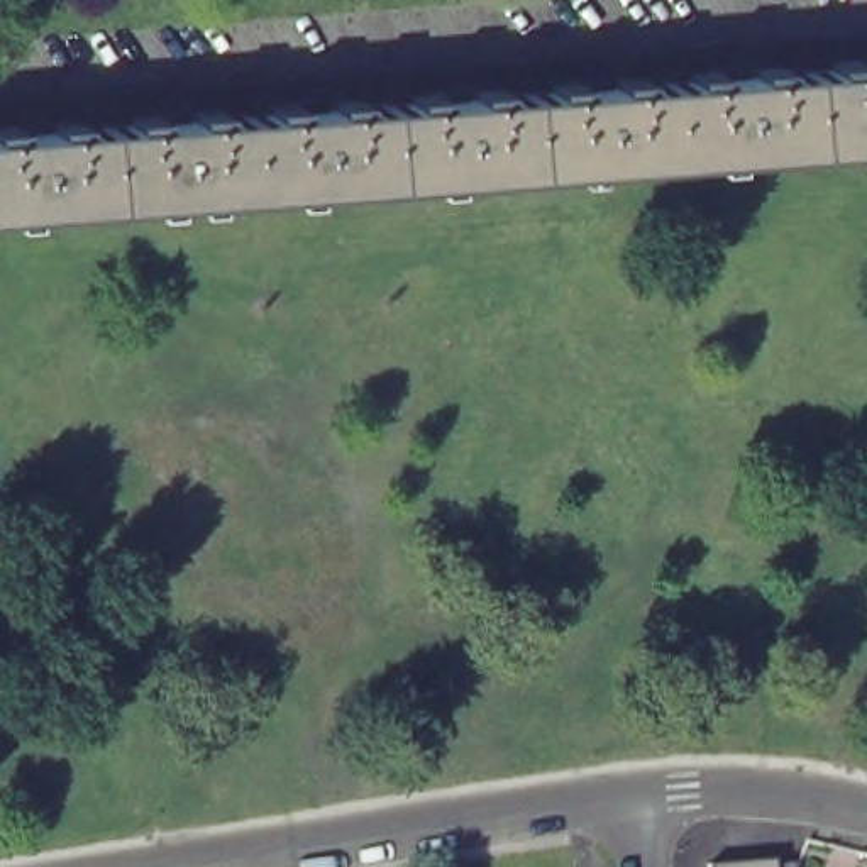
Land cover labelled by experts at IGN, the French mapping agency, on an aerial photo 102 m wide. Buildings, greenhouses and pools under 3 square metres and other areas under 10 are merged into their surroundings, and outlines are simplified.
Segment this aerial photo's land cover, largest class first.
<instances>
[{"label":"herbaceous vegetation","instance_id":"1","mask_svg":"<svg viewBox=\"0 0 867 867\"><path fill-rule=\"evenodd\" d=\"M193 0H58L47 17L54 20L61 37H108L119 30L139 34L183 27V10ZM220 14L227 27L291 17H386L417 14V0H217ZM647 200L674 224L701 220L725 240H732V247L725 251L721 274L708 295L694 301H671L667 295L640 298L627 284L620 271V251ZM322 213L244 210V217L230 220H112L61 224L58 230H47L41 224L0 230V505L17 508L44 501L47 508H58L71 518L75 542L64 559V616L68 627H75L85 640L105 650L108 691L122 704L119 735L112 742L71 745L61 759L30 755L0 725V792L10 782H17L30 796L41 820L54 830L58 847L146 833L169 830L312 809L325 803L369 799L389 792L383 782L352 779L342 772V755L332 735L339 698L356 681L369 677H376L383 688L393 677L406 691H420L440 715L457 718V738L447 742L440 779L434 786L596 765L613 759L715 752L806 755L860 769L840 742V721L853 708L857 688H867V538L847 535L840 532V525L826 522L820 535H803L799 542H752L728 518V501L738 484L735 457L748 447L752 434L759 440L796 450L789 471H796L799 464H823L830 454L843 447L867 444V169L864 163L792 166L755 173V179L748 183H732L725 176L589 179L569 186L488 190L484 196L467 203L430 196H420V203H413L410 196H396L342 207L322 203ZM135 237L149 240L159 254H186L193 291L183 318H176L173 329H166L159 342L146 349L142 359H119L105 352V342L95 339L88 318H81L78 312L88 298V288H102V281L108 278L98 271V261L129 251ZM725 345L735 352V389L721 396H704L691 386L688 366H694L704 349ZM359 383L369 389L373 410L393 413V423L373 427V434L379 437V450L345 461L335 450L325 427L335 420V413L359 410L352 400ZM417 434H423L430 444H440V467L430 478L423 467H413L406 461L410 440ZM417 518H427V532L440 542H467V562L484 572L491 589L528 586L535 596H542L545 589H589L583 616L566 630H555L562 637V647L549 667L528 677H494L474 671L464 637L450 627L444 613L430 610L427 596L420 593V583L410 576V566L403 559V542ZM119 552L156 555L163 576H169L173 616L156 620V627L146 637H139L135 647L112 637L91 616V579L98 566H105ZM667 566L674 572H688L698 583V593L671 599L681 610L677 657H684L694 647V640L725 637L738 650V667L762 677L769 650L776 643V630L796 627L809 637L806 650H820L830 667L843 671L837 694L823 701V715H809V725H799L792 721V715H782L779 708H759L755 701H748L725 704V711L711 725V735H698L694 742H681L674 732H660L657 738H630L613 711L610 694L603 691V677L610 660L620 654L623 637L647 633V613L660 599L650 589V572L660 576ZM769 566L789 569L792 576L820 569L830 583L813 589L803 603V616L792 620L782 616L769 599H762V593L748 589ZM173 623H200L193 647L203 654V671L230 657L244 674H257L264 684H278L284 677V694L278 708L261 718V732L240 735L234 748L220 752L213 762H200L193 772L152 759L149 701L135 694L156 657L176 647ZM462 867H572L569 847L501 853L489 862Z\"/></svg>","mask_w":867,"mask_h":867},{"label":"impervious surface","instance_id":"2","mask_svg":"<svg viewBox=\"0 0 867 867\"><path fill-rule=\"evenodd\" d=\"M417 14L386 17H291L227 27L220 14L207 34L183 27L139 34L119 30L108 37H61L54 20L47 17H41L24 41L3 44L0 54V134L867 71V0H417ZM566 826L569 847L572 867H704L738 860H806V867H867V782H843L813 772L681 765L627 776H579L566 782L525 786L508 792L393 806L379 813L318 823L234 830L220 837H169V830L146 833L142 847L78 853L64 860H27L10 867H434L430 853L437 847L454 853L559 833Z\"/></svg>","mask_w":867,"mask_h":867},{"label":"deciduous trees","instance_id":"3","mask_svg":"<svg viewBox=\"0 0 867 867\"><path fill-rule=\"evenodd\" d=\"M58 0H0V54L3 44L24 41L41 17H47ZM220 14L217 0H193L183 10V27L207 34ZM732 247V240H725L701 220L674 224L647 200L620 251V271L627 284L640 298L667 295L671 301H694L708 295L721 274L725 251ZM98 271L108 278L102 281V288H88V298L78 312L81 318H88L95 339L105 342V352L119 359H142L146 349L159 342L166 329H173L176 318H183L193 291L186 254H159L149 240L135 237L129 251L98 261ZM691 386L704 396H721L735 389V352L725 345L704 349L694 366H688ZM352 400L359 410L335 413V420L325 427L335 450L345 461L379 450V437L373 434V427L393 423V413L373 410L369 389L359 383ZM440 444H430L423 434H417L410 440L406 461L413 467H423L430 478L440 467ZM796 450L759 440L752 434L748 447L735 457L738 484L728 501V518L752 542H799L803 535H820L826 522L840 525V532L847 535L867 538V444L843 447L830 454L823 464H799L796 471H789ZM75 542L71 518L58 508H47L44 501L17 508L0 505V725L30 755L61 759L71 745L112 742L119 735L122 704L108 691L105 650L85 640L75 627H68L64 616V559ZM403 559L410 566V576L420 583V593L427 596L430 610L444 613L450 627L464 637L474 671L494 677H528L549 667L562 647V637L555 630H566L583 616L589 589H545L542 596H535L528 586L491 589L484 572L467 562V542H440L427 532V518H417L403 542ZM91 616L112 637L135 647L139 637H146L156 627V620L173 616L169 576H163L156 555L119 552L105 566H98L91 579ZM650 589L660 599L647 613V633L623 637L620 654L610 660L603 677V691L610 694L613 711L630 738H657L660 732H674L681 742H694L698 735H711V725L725 711V704L748 701H755L759 708H779L782 715H792V721L799 725H809V715H823V701L837 694L843 671L830 667L820 650H806L809 637L796 627L776 630V643L769 650L762 677L738 667V650L725 637L694 640V647L684 657H677L681 610L671 599L698 593V583L688 572H674L667 566L660 576L650 572ZM830 583L820 569L792 576L789 569L769 566L748 589L762 593V599H769L782 616L792 620L803 616V603L813 589ZM176 647L156 657L135 694L149 701L152 759L193 772L200 762H213L220 752L234 748L240 735L261 732V718L278 708L284 694V677L278 684H264L257 674H244L230 657L203 671V654L193 647L200 623H173ZM332 735L342 755V772L352 779L383 782L389 792H417L434 786L440 779L447 742L457 738V718L440 715L420 691H406L393 677L383 688L376 677H369L356 681L339 698ZM840 742L860 769H867V688H857L853 708L840 721ZM58 847L54 830L41 820L30 796L17 782H10L0 792V860Z\"/></svg>","mask_w":867,"mask_h":867},{"label":"building","instance_id":"4","mask_svg":"<svg viewBox=\"0 0 867 867\"><path fill-rule=\"evenodd\" d=\"M864 163L867 169V71L0 134V230L41 224L47 230H58L61 224L112 220H230L244 217V210L322 213V203L342 207L396 196H410L413 203H420V196H430L467 203L484 196L488 190L569 186L589 179L725 176L732 183H748L755 179V173L792 166ZM704 867H806V860H738Z\"/></svg>","mask_w":867,"mask_h":867},{"label":"pervious surface","instance_id":"5","mask_svg":"<svg viewBox=\"0 0 867 867\"><path fill-rule=\"evenodd\" d=\"M681 765L813 772L843 782H867V769H860L806 755L715 752L613 759L596 765L434 786L417 792H389L369 799L325 803L312 809L169 830V837H220L234 830L318 823L379 813L393 806L508 792L525 786L566 782L579 776H627ZM566 826L559 833L454 853L437 847L430 853L434 867H462L489 862L501 853L569 847ZM146 833L58 847L0 860V867H10L27 860H64L78 853L142 847Z\"/></svg>","mask_w":867,"mask_h":867}]
</instances>
